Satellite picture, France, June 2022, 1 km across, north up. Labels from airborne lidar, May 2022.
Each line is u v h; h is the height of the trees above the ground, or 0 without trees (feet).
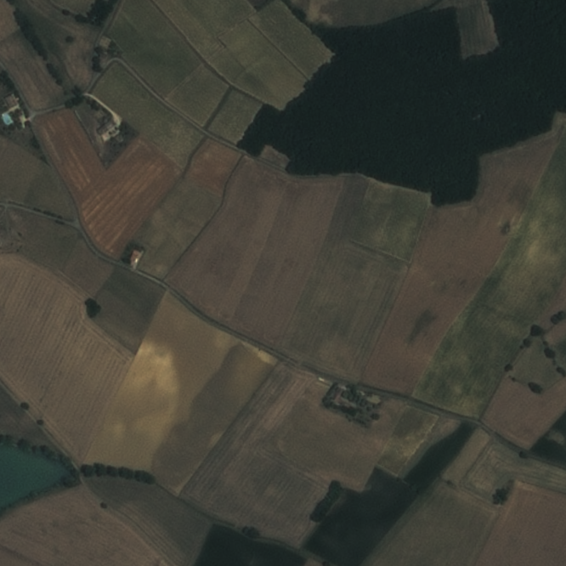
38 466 0
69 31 0
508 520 0
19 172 0
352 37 68
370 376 0
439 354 0
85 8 0
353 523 0
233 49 0
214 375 0
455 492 0
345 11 0
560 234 0
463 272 0
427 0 0
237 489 0
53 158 0
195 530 0
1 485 0
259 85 0
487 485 0
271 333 0
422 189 52
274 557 0
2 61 0
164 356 0
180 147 0
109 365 0
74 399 0
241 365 0
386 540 0
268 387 0
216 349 0
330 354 0
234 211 0
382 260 0
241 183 0
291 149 54
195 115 0
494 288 0
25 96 0
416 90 58
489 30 0
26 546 0
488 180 0
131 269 0
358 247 0
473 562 0
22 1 0
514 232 0
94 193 0
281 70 0
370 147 51
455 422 0
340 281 0
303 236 0
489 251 0
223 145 0
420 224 0
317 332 0
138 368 0
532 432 0
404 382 0
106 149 0
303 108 68
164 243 0
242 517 0
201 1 0
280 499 0
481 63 56
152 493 0
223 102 0
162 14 0
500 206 0
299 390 0
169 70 0
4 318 0
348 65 61
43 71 0
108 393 0
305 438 0
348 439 0
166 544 0
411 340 0
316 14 0
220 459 0
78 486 0
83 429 0
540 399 0
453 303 0
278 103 0
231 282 0
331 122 45
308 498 0
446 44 28
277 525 0
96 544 0
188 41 0
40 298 0
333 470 0
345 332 0
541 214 0
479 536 0
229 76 0
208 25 0
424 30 58
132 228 0
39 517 0
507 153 0
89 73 0
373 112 56
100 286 0
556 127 0
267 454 0
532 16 43
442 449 0
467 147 59
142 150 0
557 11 49
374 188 0
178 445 0
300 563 0
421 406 0
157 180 0
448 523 0
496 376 0
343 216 0
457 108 60
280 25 0
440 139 54
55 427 0
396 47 69
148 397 0
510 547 0
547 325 0
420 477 0
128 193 0
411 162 54
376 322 0
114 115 0
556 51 57
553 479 0
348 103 61
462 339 0
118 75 0
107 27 0
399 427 0
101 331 0
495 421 0
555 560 0
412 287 0
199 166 0
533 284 0
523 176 0
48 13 0
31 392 0
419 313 0
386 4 0
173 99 0
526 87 41
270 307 0
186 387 0
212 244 0
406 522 0
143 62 0
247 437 0
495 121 61
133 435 0
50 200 0
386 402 0
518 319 0
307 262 0
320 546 0
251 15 0
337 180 0
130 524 0
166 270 0
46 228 0
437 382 0
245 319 0
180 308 0
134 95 0
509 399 0
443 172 58
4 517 0
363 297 0
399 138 46
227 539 0
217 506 0
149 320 0
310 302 0
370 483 0
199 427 0
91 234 0
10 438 47
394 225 0
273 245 0
